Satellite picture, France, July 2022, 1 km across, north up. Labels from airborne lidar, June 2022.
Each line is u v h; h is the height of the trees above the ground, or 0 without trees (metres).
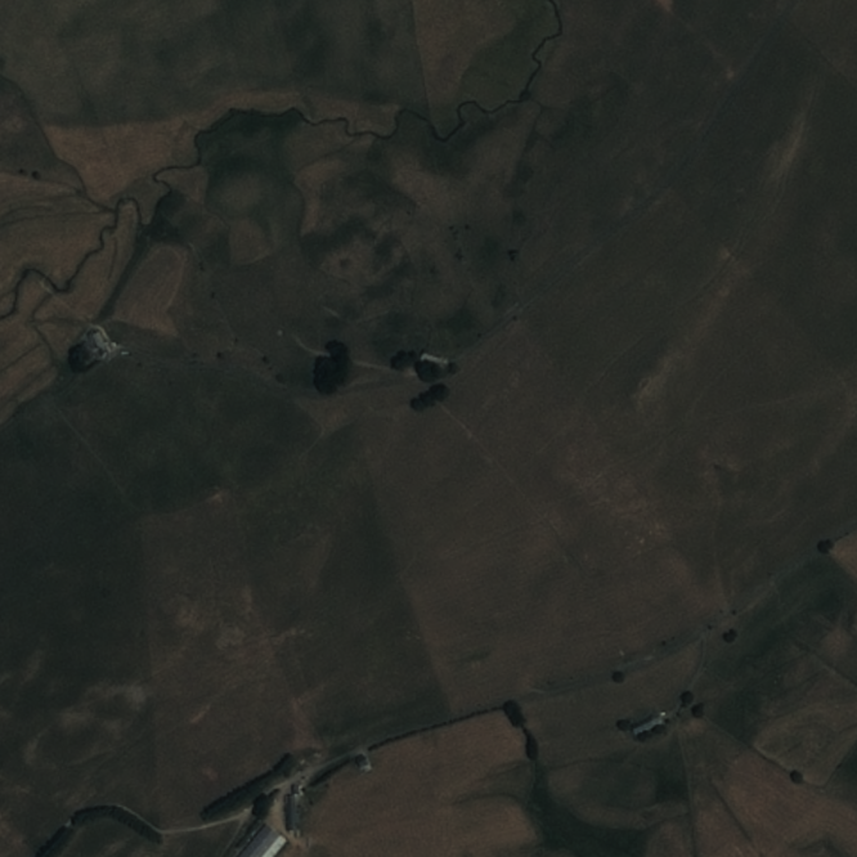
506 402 0
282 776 10
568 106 0
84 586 0
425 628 0
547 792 0
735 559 0
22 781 0
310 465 0
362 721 0
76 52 0
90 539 0
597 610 0
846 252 0
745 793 0
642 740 9
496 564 0
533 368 0
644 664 0
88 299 0
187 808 0
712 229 0
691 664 0
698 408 0
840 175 0
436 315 0
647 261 0
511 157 0
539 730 0
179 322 0
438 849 0
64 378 0
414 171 0
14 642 0
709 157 0
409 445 0
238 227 0
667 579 0
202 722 0
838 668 0
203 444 0
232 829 0
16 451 0
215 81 0
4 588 0
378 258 0
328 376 23
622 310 0
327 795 0
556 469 0
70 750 0
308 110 0
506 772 0
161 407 0
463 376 0
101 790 0
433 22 0
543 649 0
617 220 0
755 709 0
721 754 0
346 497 0
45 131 0
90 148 0
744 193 0
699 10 0
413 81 0
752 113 0
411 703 0
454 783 0
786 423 0
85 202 0
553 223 0
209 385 0
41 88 0
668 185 0
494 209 0
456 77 0
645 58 0
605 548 0
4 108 0
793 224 0
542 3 0
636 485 0
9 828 0
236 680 0
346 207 0
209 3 0
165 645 0
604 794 0
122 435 0
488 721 0
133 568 0
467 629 0
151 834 15
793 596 0
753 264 0
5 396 0
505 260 0
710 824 0
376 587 0
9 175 0
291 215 0
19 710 0
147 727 0
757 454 0
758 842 0
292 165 0
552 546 0
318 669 0
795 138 0
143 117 0
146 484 0
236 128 0
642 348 0
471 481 0
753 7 0
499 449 0
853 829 0
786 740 0
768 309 0
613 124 0
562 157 0
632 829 0
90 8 0
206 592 0
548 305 0
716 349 0
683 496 0
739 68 0
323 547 0
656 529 0
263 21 0
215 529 0
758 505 0
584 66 0
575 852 0
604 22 0
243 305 0
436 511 0
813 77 0
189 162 0
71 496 0
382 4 0
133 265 0
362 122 0
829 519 0
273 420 0
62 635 0
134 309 0
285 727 0
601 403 0
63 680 0
